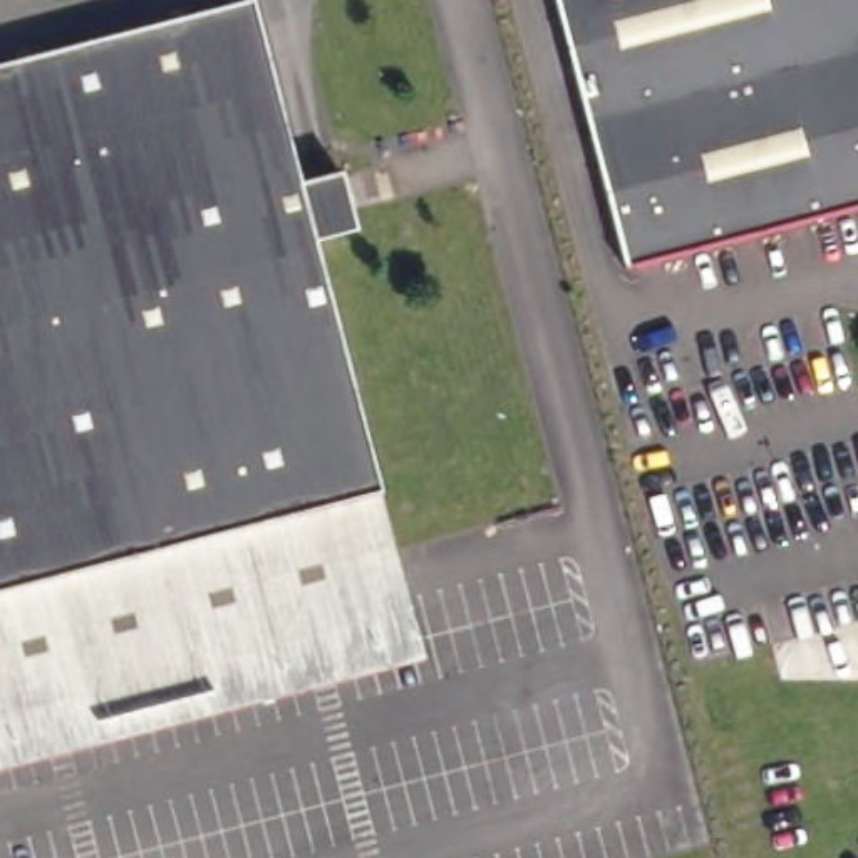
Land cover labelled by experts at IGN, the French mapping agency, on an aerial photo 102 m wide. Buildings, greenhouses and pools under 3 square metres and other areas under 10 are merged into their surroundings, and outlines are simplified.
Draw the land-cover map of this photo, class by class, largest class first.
<instances>
[{"label":"impervious surface","instance_id":"1","mask_svg":"<svg viewBox=\"0 0 858 858\"><path fill-rule=\"evenodd\" d=\"M231 0H0V60L131 30L204 7H221ZM265 13L255 23L261 34L285 134L298 137V154L308 178L328 171L342 174L349 211L352 218H359L362 208L385 204L392 198H419L422 191H439L452 184H463L466 191L483 198L496 265L503 275L506 302L513 312L546 446V466L556 483L546 503L503 513L493 526H476L456 536L399 550L412 613L426 647L422 664L372 674L362 680H345L339 687L312 694H292L268 707L228 711L191 724L0 771V858H664L690 848H707V818L700 808L687 754L684 707V690L700 660L734 654L751 657L757 647H764L778 660L781 680H858V225L841 221L848 248H824L818 245L814 231H804L784 238L781 251H768V245H751L714 261L711 255L697 251V261L684 271H630L617 245L590 127L583 117L580 87L573 77L570 50L553 0H429L439 50L452 87V111L446 114L442 127H422L416 134L375 141H342L328 127L312 60V23L318 0H261Z\"/></svg>","mask_w":858,"mask_h":858},{"label":"building","instance_id":"2","mask_svg":"<svg viewBox=\"0 0 858 858\"><path fill-rule=\"evenodd\" d=\"M265 13L261 0H231L221 7H204L131 30L0 60V771L191 724L228 711L268 707L292 694H312L339 687L345 680H362L372 674L422 664L426 647L412 613L399 550L385 509V483L375 469L379 456L372 452L359 402V379L352 375L355 362L349 359L339 328V295L318 255L322 241L332 235H362L359 218H352L349 211L342 174L328 171L308 178L298 154V137L285 134L261 34L255 23ZM570 50L573 77L580 87L583 117L590 127L617 245L630 271H684L697 261V251L711 255L714 261L751 245H768V251H781L784 238L804 231H814L818 245L824 248H848L841 221L858 225V0H553Z\"/></svg>","mask_w":858,"mask_h":858},{"label":"herbaceous vegetation","instance_id":"3","mask_svg":"<svg viewBox=\"0 0 858 858\"><path fill-rule=\"evenodd\" d=\"M312 60L328 127L342 141H375L416 134L422 127H442L446 114L452 111V87L439 50L429 0H318L312 23ZM362 235H332L322 241L318 255L339 295V328L349 359L355 362L352 375L359 379V402L372 452L379 456L375 469L385 483V509L399 550L456 536L476 526H493L503 513L546 503L556 483L546 466V446L513 312L506 302L503 275L496 265L483 198L466 191L463 184H452L439 191H422L419 198H392L385 204L362 208L359 218ZM684 707L687 754L700 808L707 818V848H690L664 858H858V680H781L778 660L764 647H757L751 657L734 654L700 660L684 690Z\"/></svg>","mask_w":858,"mask_h":858}]
</instances>
